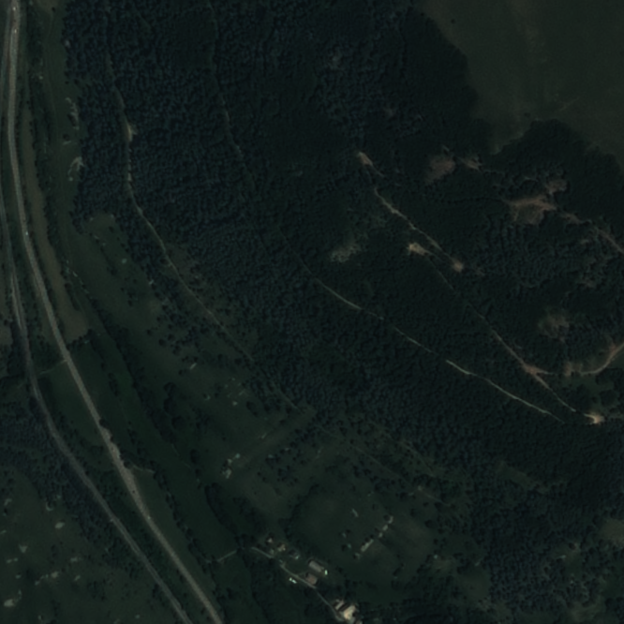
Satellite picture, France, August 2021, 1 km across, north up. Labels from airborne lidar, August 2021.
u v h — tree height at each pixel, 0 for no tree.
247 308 29
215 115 16
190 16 23
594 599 11
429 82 20
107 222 0
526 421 16
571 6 0
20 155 10
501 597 15
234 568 0
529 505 32
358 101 21
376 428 12
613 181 12
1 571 0
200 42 21
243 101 20
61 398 0
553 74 0
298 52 19
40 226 0
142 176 11
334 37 17
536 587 7
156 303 0
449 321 19
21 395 0
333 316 18
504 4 0
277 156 20
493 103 0
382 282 16
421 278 16
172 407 20
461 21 0
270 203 19
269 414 16
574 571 0
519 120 0
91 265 0
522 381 19
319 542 0
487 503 21
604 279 27
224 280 31
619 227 22
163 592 11
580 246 19
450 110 18
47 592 0
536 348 19
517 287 26
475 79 0
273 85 20
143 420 0
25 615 0
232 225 25
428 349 10
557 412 19
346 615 0
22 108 8
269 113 20
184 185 18
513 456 25
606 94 0
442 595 15
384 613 10
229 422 0
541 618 0
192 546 9
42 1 0
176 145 17
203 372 0
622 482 21
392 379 21
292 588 6
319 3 22
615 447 23
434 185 10
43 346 11
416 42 18
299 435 16
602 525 20
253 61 20
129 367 12
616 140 0
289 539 14
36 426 13
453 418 20
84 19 7
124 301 0
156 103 11
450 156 16
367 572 0
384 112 18
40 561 0
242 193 9
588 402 14
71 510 14
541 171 21
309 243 20
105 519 19
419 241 11
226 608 17
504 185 22
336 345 37
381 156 17
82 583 0
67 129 0
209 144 17
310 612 16
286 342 8
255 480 0
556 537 14
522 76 0
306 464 8
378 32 8
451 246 18
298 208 21
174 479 0
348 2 20
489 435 23
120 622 0
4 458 14
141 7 22
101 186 17
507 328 16
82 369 0
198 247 27
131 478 0
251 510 13
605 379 18
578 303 23
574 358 23
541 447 22
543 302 21
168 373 0
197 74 19
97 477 15
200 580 0
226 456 0
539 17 0
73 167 0
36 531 0
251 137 8
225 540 0
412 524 0
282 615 0
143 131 17
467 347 18
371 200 11
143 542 15
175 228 19
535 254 24
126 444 0
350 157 19
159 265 15
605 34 0
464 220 21
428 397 16
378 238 15
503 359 20
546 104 0
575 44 0
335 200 19
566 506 23
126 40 12
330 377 9
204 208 29
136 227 14
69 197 0
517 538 13
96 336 19
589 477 16
